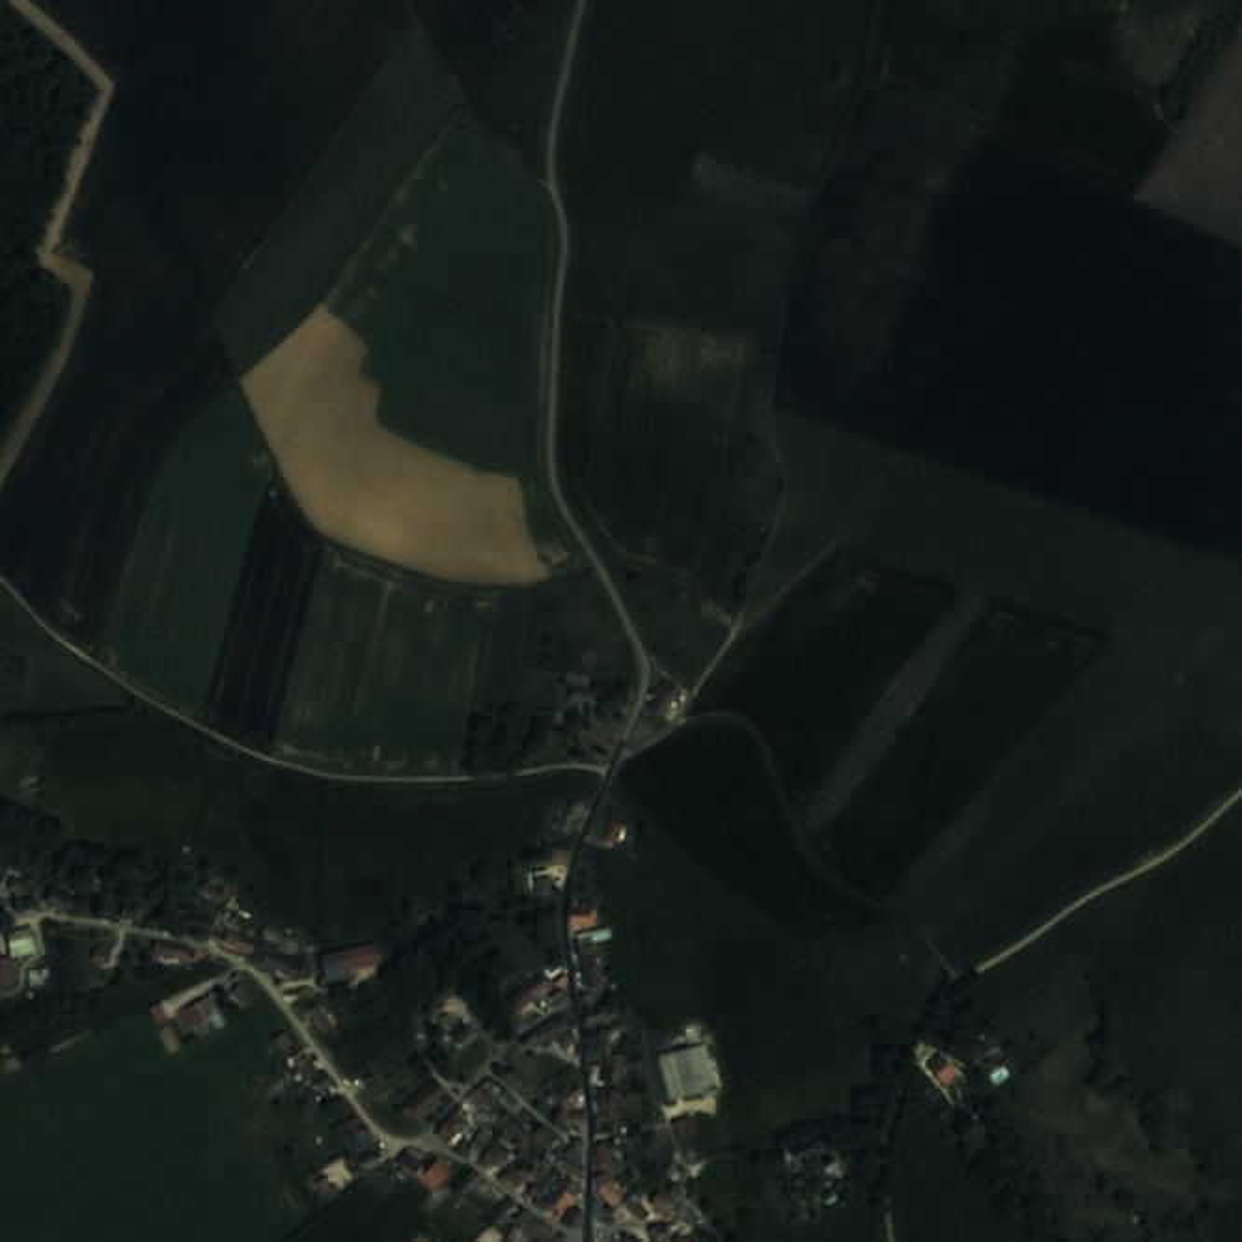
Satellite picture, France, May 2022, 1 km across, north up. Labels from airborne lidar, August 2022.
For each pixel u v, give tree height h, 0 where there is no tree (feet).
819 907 0
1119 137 0
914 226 0
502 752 64
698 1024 0
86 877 59
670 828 0
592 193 0
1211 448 0
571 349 0
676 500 0
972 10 0
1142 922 0
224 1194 0
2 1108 0
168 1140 0
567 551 0
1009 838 0
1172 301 0
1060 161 0
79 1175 0
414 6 0
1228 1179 0
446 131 0
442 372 0
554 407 0
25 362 77
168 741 0
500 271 0
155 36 0
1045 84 0
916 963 0
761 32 0
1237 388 0
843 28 0
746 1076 0
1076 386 0
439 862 0
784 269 0
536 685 0
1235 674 0
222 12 0
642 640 0
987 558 0
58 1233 0
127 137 0
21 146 85
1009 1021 0
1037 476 0
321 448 0
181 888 31
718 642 0
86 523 0
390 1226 0
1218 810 0
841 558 0
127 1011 0
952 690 0
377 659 0
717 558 0
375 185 0
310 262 0
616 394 0
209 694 0
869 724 0
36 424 0
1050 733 0
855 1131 60
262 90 0
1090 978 30
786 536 0
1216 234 0
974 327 0
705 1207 46
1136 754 0
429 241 0
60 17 0
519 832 0
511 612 0
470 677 0
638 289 0
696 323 0
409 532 0
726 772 0
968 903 0
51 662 0
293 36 0
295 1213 0
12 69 69
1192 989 0
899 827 0
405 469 0
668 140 0
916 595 0
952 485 0
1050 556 0
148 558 0
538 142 0
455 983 45
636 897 0
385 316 0
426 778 0
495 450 0
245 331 0
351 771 0
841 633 0
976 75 0
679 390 0
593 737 0
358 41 0
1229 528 0
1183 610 0
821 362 0
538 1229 0
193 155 0
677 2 0
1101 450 0
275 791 0
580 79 0
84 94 60
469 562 0
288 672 0
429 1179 0
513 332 0
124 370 0
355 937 0
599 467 0
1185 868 0
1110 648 0
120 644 0
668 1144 0
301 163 0
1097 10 0
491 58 0
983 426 0
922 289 0
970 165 0
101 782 0
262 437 0
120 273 0
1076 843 0
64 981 0
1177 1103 0
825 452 0
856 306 0
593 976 0
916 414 0
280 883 0
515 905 35
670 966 0
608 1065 0
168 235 0
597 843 0
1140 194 0
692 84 0
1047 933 0
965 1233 0
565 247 0
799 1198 26
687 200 0
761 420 0
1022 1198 25
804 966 0
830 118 0
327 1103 28
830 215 0
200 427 0
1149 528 0
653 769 0
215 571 0
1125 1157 0
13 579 0
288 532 0
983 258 0
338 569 0
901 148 0
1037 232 0
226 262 0
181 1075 0
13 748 0
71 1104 0
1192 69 37
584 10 0
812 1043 0
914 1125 0
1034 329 0
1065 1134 0
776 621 0
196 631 0
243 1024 0
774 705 0
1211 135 0
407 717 0
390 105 0
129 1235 0
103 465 0
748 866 0
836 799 0
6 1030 39
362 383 0
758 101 0
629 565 0
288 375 0
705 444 0
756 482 0
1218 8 39
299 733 0
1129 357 0
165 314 0
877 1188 47
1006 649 0
